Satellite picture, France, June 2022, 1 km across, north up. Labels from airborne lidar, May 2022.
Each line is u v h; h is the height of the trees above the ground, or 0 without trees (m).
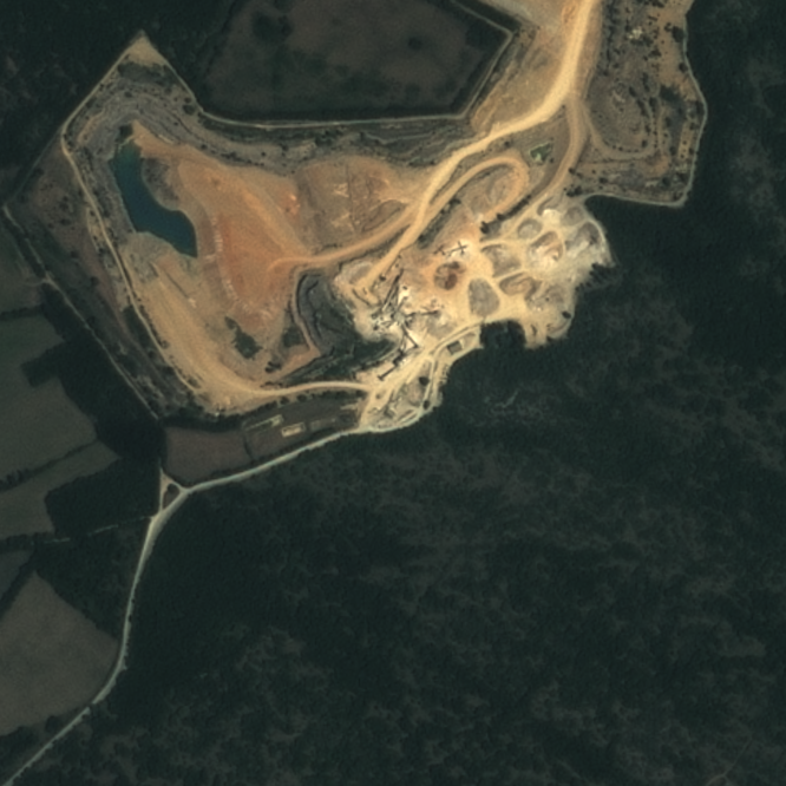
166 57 10
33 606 0
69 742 8
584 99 0
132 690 7
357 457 6
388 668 9
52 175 0
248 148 0
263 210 0
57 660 0
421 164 0
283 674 6
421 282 0
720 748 6
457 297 0
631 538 0
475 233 0
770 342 9
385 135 0
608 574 6
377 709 7
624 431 7
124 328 0
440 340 0
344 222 0
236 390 0
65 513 13
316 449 6
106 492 9
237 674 9
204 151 0
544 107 0
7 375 0
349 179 0
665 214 12
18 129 7
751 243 9
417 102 0
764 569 7
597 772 9
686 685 7
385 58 0
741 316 11
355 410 0
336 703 6
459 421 7
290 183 0
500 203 0
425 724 7
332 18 0
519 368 6
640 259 6
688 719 8
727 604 10
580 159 0
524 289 0
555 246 0
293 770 7
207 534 7
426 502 6
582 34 0
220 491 8
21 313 13
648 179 0
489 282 0
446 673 7
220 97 0
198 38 8
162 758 8
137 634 7
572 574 8
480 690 11
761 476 7
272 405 10
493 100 0
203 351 0
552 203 0
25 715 0
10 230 9
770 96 9
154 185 0
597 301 6
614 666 10
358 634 9
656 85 0
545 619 6
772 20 7
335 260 0
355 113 9
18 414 0
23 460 0
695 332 8
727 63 7
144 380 0
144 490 6
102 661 0
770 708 6
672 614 8
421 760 9
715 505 7
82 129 0
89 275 0
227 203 0
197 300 0
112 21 7
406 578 6
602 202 14
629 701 8
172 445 0
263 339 0
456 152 0
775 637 11
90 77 6
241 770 7
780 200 7
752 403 8
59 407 0
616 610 9
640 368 10
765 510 9
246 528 11
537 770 9
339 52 0
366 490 7
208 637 9
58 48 10
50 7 10
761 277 5
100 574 9
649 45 11
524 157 0
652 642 8
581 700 8
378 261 0
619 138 0
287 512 10
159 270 0
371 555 10
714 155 7
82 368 11
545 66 0
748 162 0
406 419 0
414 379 0
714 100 9
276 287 0
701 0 10
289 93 0
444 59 0
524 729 8
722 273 10
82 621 0
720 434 9
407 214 0
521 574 8
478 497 7
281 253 0
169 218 0
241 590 10
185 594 9
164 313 0
